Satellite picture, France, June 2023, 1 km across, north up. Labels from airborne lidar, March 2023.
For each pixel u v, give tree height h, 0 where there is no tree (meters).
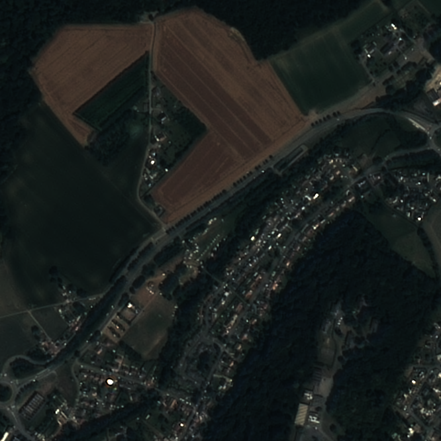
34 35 27
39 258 0
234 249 13
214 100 0
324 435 0
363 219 21
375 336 21
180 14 0
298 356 28
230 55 0
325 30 0
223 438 30
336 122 0
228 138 0
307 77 0
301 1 24
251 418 35
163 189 0
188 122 14
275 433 32
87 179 0
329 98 0
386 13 0
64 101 0
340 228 28
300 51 0
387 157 0
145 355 0
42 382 0
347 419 24
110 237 0
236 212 0
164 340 0
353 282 30
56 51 0
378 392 24
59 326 0
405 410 0
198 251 0
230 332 0
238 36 0
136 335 0
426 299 27
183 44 0
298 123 0
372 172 0
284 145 0
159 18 0
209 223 0
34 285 0
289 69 0
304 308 23
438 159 13
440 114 0
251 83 0
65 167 0
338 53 0
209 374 0
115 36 0
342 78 0
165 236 0
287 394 29
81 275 0
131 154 0
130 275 0
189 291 13
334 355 0
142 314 0
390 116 9
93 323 12
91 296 0
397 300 29
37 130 0
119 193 0
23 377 0
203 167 0
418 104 0
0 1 27
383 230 0
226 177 0
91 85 0
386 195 6
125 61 0
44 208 0
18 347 0
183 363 0
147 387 0
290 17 15
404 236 0
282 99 0
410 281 31
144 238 0
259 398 31
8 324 0
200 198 0
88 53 0
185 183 0
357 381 28
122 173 0
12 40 23
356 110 0
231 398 17
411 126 0
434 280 11
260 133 0
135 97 7
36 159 0
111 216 0
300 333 29
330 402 22
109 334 0
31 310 0
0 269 0
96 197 0
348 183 0
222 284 0
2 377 0
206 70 0
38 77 0
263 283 0
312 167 0
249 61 0
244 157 0
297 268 20
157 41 0
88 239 0
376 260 33
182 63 0
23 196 0
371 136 0
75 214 0
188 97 0
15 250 0
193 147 0
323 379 0
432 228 0
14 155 0
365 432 22
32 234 0
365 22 0
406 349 29
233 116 0
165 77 0
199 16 0
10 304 0
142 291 0
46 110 0
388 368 31
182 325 14
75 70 0
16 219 0
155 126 0
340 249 26
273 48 16
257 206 17
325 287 28
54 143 0
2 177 15
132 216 0
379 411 26
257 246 0
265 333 16
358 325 20
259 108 0
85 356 0
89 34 0
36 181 0
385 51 0
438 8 0
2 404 0
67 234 0
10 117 27
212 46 0
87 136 0
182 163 0
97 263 0
